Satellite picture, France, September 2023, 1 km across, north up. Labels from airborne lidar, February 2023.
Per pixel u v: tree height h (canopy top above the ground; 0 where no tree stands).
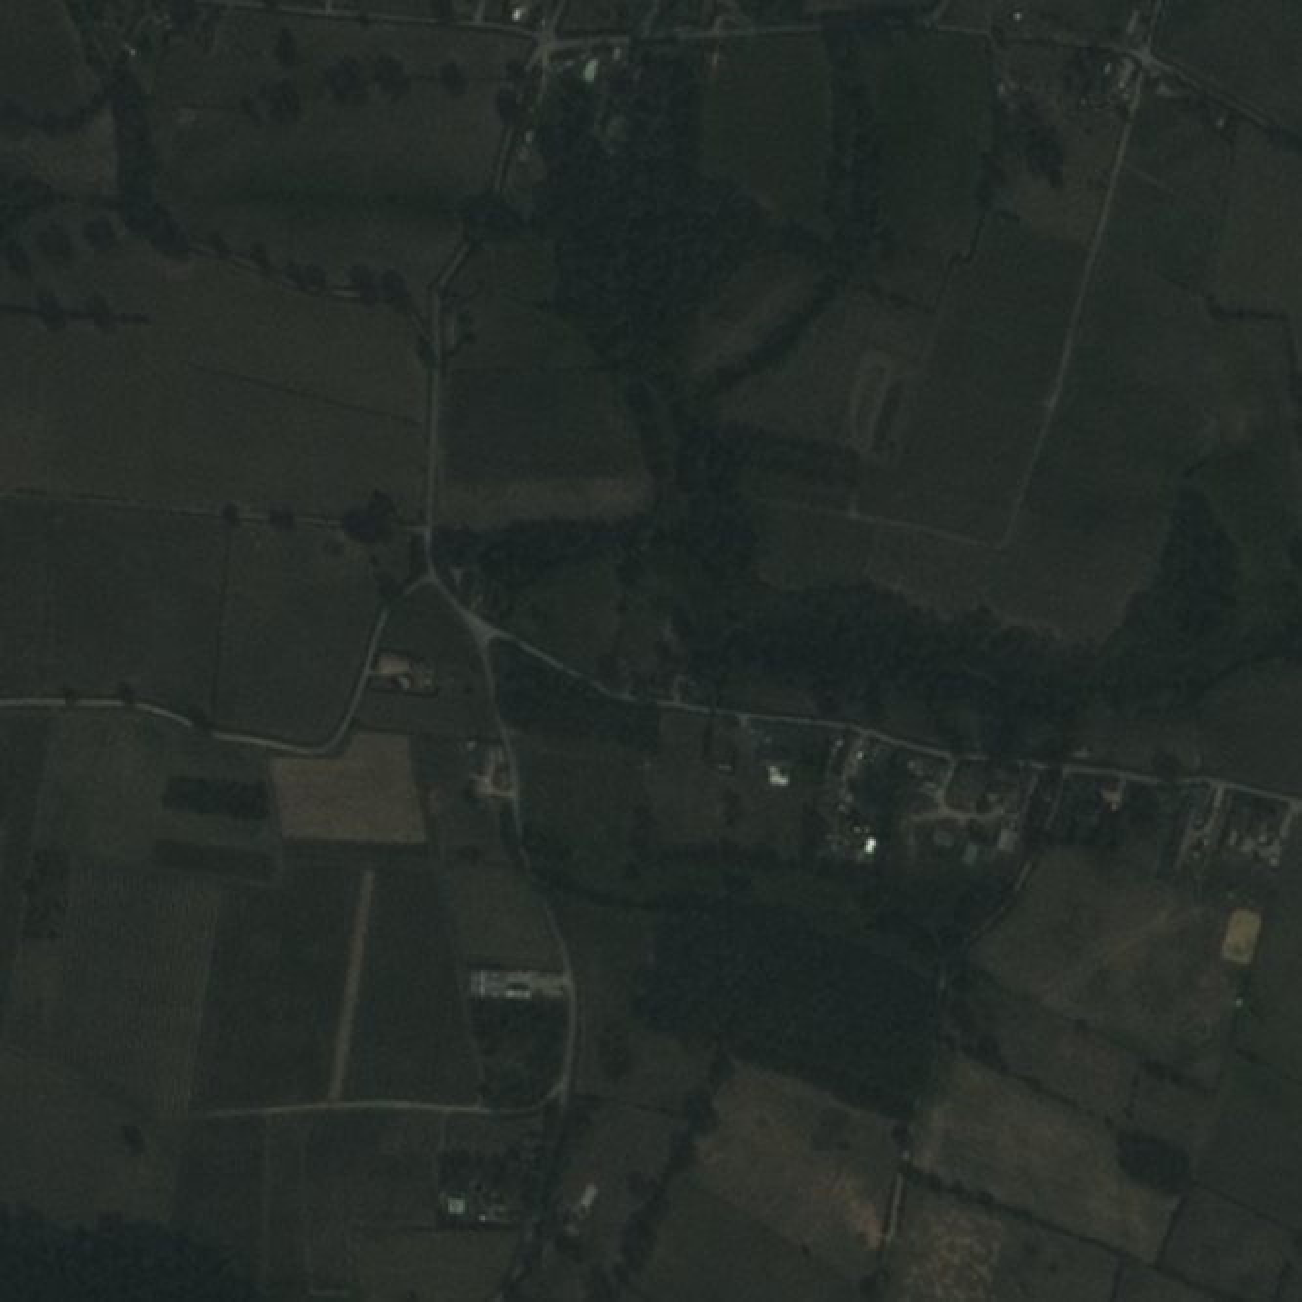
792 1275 0
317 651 0
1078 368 0
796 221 0
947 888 0
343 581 0
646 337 25
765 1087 0
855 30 18
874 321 0
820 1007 21
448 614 0
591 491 0
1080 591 0
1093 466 0
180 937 0
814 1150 0
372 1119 0
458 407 0
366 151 0
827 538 0
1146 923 0
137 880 0
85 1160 0
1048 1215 0
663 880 0
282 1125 0
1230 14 0
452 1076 0
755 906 0
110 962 0
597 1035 0
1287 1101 0
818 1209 0
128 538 0
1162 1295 0
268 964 0
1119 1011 0
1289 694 0
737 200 16
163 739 0
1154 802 9
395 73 18
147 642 0
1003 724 23
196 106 0
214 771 0
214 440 0
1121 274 0
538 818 0
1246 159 0
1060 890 0
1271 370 0
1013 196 0
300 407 0
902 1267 0
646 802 0
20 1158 0
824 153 0
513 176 0
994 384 0
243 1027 0
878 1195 0
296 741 0
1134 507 0
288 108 22
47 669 0
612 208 26
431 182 0
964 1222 0
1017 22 0
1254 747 0
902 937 14
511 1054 0
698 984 21
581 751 0
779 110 0
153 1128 0
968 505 0
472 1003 0
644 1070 0
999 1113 0
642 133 15
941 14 0
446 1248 0
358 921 0
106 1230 15
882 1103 16
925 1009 21
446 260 0
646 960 0
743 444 10
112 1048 0
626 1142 0
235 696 0
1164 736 0
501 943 0
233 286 0
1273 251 0
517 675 7
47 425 0
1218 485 0
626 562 19
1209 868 0
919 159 0
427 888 0
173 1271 22
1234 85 0
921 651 8
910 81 0
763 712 0
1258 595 0
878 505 0
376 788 0
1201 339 0
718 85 0
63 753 0
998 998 0
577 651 0
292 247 0
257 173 0
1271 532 0
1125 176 0
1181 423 0
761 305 0
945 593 0
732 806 13
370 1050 0
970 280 0
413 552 7
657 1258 0
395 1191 0
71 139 0
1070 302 0
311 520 0
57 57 0
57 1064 0
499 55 0
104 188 0
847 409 0
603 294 25
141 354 0
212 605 0
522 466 0
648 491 0
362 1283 0
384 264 0
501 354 0
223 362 0
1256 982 0
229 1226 0
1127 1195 0
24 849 0
